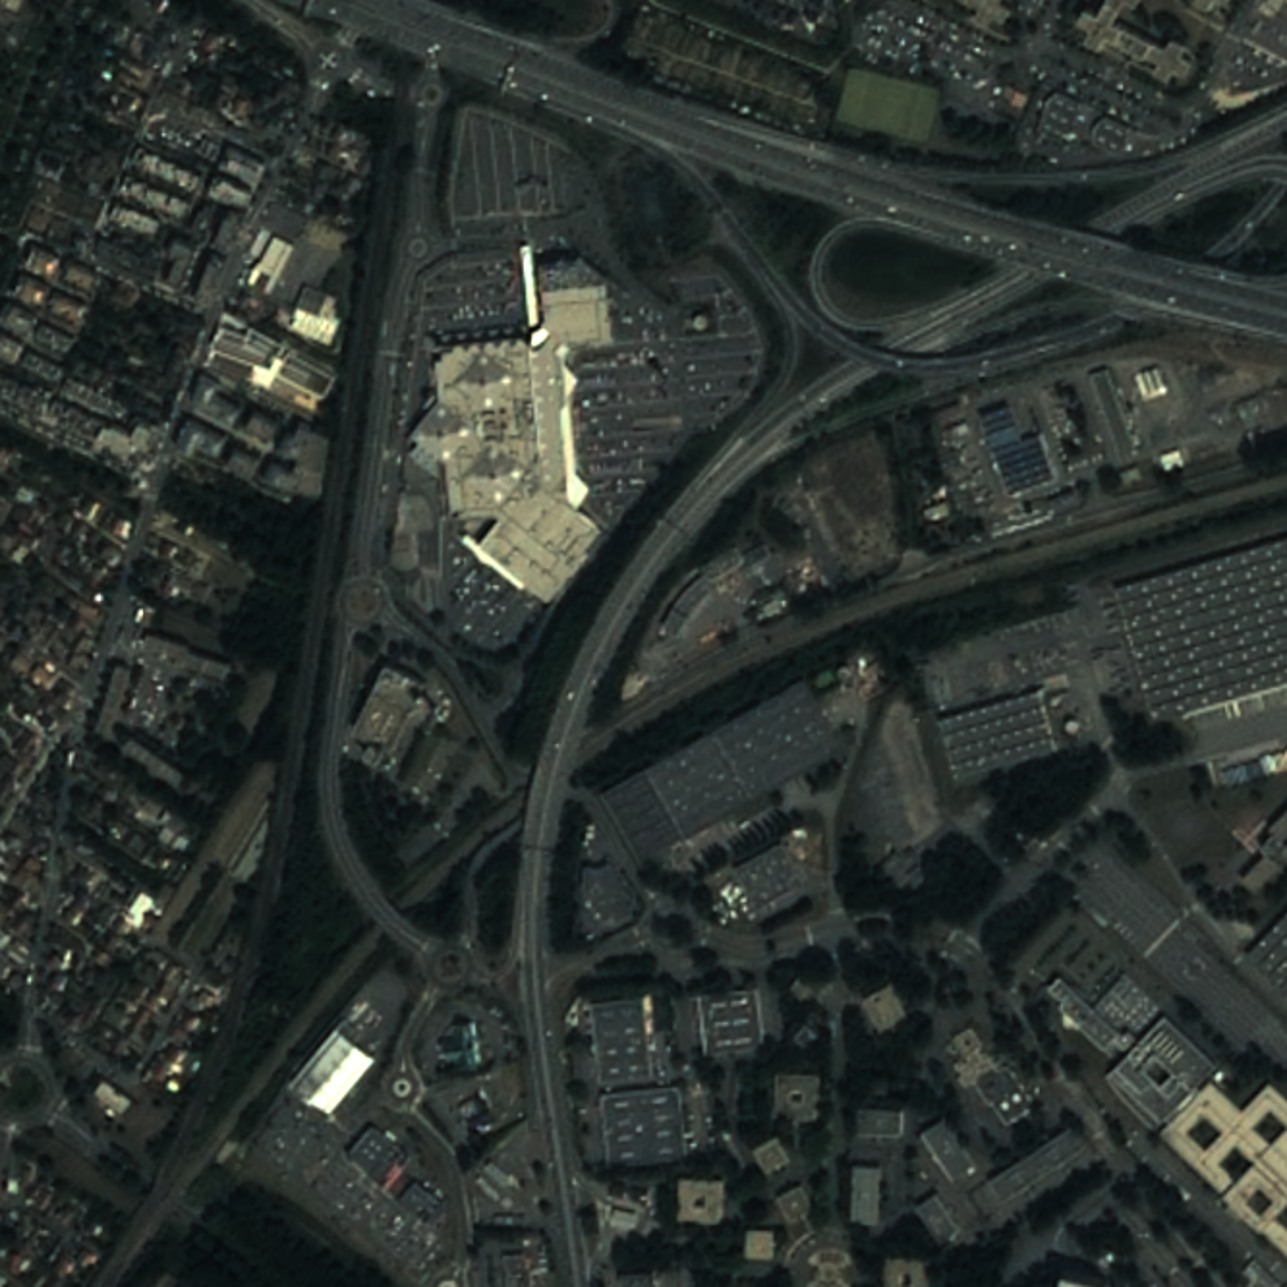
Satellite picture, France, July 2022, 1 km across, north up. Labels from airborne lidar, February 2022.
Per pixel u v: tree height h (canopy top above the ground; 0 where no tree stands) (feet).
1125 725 47
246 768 35
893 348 0
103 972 43
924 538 29
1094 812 0
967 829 0
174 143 0
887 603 0
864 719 0
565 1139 0
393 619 0
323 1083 0
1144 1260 0
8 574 25
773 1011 0
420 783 0
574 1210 0
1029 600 0
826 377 0
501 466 0
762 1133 42
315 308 0
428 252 0
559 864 32
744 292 0
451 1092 0
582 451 0
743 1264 57
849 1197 36
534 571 0
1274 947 0
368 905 0
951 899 58
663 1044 0
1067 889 56
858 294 0
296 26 0
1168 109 0
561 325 0
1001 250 0
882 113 0
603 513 0
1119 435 0
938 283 0
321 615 0
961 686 0
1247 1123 0
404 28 0
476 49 0
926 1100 67
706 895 45
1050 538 0
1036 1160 0
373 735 0
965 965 0
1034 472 0
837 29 0
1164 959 0
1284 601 0
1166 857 0
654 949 0
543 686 49
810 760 0
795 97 0
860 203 0
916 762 0
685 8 0
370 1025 0
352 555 0
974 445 0
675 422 0
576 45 0
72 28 0
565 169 0
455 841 0
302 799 34
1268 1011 0
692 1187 0
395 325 0
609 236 0
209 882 24
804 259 0
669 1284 0
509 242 0
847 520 0
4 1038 37
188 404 0
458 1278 0
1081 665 0
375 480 0
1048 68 0
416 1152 0
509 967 0
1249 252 0
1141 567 0
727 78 0
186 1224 0
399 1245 0
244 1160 0
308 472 0
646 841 0
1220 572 0
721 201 0
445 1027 0
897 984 48
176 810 40
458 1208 0
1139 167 0
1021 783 54
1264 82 0
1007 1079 0
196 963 0
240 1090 0
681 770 0
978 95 0
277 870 0
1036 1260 0
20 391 0
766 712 0
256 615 51
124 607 0
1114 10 0
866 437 0
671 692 0
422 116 0
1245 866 0
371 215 24
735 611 0
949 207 0
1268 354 0
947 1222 0
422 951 0
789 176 0
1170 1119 0
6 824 0
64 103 28
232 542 31
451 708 0
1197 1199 0
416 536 0
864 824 0
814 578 0
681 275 0
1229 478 0
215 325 0
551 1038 0
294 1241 38
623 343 0
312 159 0
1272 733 0
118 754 41
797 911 20
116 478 34
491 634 0
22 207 0
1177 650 0
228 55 22
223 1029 0
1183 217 0
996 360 0
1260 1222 0
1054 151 0
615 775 23
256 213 0
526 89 0
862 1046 57
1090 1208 0
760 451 0
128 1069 20
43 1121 0
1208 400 0
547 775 0
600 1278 0
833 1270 0
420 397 0
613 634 0
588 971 0
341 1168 0
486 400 0
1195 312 0
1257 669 0
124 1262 0
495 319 0
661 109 0
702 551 18
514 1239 30
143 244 30
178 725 25
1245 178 0
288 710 54
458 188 0
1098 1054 0
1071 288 0
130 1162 31
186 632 0
